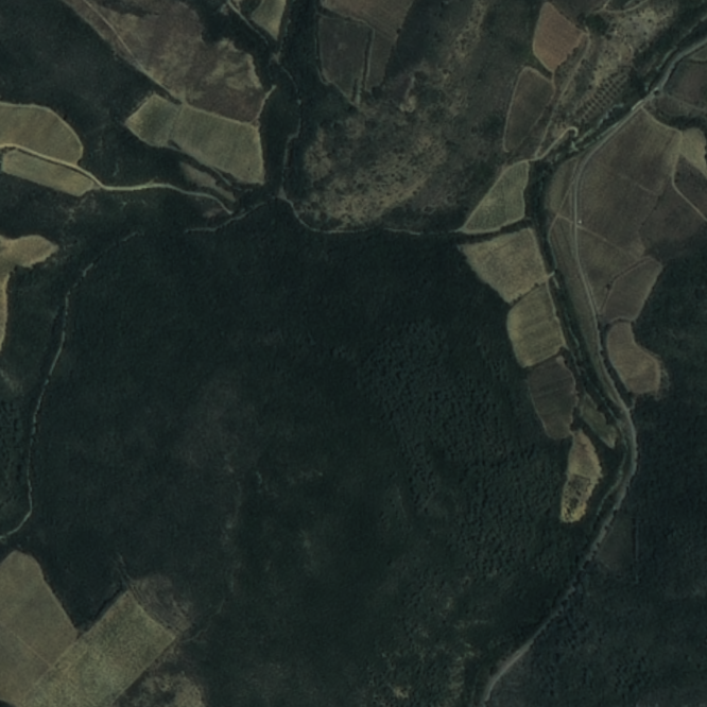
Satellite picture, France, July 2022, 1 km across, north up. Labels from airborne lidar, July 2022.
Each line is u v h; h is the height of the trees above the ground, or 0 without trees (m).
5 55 7
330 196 0
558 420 0
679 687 5
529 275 0
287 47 7
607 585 6
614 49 0
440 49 0
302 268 8
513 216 0
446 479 8
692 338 0
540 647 9
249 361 6
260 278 6
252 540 8
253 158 0
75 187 0
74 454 6
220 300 7
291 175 10
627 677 11
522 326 0
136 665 0
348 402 6
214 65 0
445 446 16
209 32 6
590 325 0
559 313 9
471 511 16
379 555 5
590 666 7
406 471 6
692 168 0
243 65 0
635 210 0
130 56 0
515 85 0
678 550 8
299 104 6
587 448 0
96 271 6
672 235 0
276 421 6
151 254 6
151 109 0
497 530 19
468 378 15
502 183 0
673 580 6
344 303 6
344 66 0
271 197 7
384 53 0
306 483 7
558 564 17
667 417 6
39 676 0
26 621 0
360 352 9
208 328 6
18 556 0
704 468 6
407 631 14
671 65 0
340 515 5
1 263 0
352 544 8
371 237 9
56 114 0
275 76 9
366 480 6
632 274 0
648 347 7
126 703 0
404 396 19
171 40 0
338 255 9
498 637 15
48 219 7
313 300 7
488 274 0
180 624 0
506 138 0
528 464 17
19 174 0
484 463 8
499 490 18
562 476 7
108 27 0
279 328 7
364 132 0
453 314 7
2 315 0
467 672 15
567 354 12
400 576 8
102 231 9
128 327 6
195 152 0
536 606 12
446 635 6
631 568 9
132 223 9
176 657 0
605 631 6
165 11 0
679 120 9
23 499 8
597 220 0
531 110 0
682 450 7
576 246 0
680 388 6
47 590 0
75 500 6
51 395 6
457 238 8
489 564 17
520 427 9
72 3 0
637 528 7
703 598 6
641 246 0
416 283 7
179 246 9
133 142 9
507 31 0
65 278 6
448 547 7
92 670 0
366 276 6
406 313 8
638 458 7
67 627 0
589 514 12
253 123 0
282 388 6
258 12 0
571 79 0
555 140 0
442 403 19
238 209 8
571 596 9
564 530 12
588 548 11
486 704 8
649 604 8
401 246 9
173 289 7
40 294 6
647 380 0
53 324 7
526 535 18
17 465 9
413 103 0
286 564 7
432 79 0
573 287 0
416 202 0
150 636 0
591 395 7
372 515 8
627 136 0
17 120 0
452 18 0
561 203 0
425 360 18
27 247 0
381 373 8
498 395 8
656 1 0
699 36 12
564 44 0
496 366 14
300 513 7
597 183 0
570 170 0
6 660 0
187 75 0
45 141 0
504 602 8
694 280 6
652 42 7
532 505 14
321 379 7
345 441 6
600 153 0
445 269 7
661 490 7
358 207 0
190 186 8
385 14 0
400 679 9
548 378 0
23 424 11
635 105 0
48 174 0
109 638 0
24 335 6
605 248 0
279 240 6
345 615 6
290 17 7
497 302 8
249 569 7
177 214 9
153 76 0
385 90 0
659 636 7
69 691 0
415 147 0
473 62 0
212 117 0
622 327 0
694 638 7
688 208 0
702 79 0
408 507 7
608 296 0
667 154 0
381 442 6
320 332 7
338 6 0
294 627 6
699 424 6
